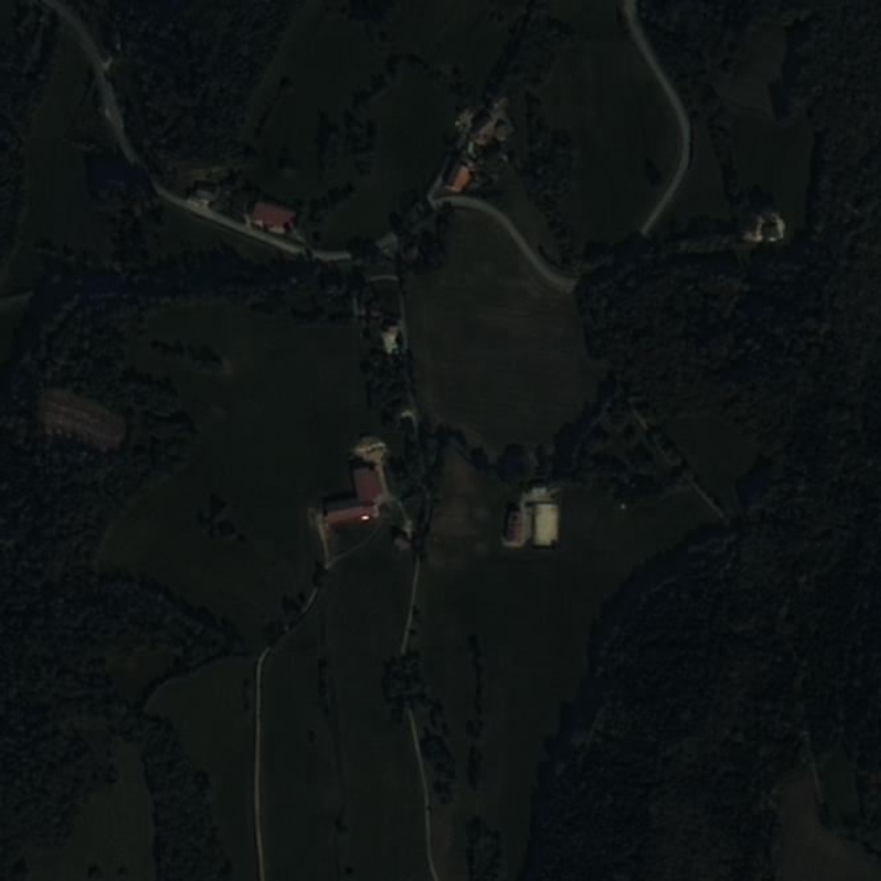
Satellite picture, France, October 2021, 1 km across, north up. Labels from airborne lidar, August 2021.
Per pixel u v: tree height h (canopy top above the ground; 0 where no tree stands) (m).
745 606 22
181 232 0
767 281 23
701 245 19
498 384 0
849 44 16
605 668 21
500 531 0
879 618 28
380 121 0
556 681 0
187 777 22
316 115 0
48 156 0
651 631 22
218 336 0
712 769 13
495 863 15
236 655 12
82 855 0
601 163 0
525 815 0
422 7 0
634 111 0
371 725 0
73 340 19
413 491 13
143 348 0
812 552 19
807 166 0
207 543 0
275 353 0
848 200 22
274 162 0
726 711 13
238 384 0
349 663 0
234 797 0
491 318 0
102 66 0
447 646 0
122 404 10
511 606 0
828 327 14
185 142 24
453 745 0
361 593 0
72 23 0
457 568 0
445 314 0
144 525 0
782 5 30
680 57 20
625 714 23
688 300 26
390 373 11
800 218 0
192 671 12
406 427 7
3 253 13
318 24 0
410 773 0
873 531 28
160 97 26
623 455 0
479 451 0
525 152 0
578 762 21
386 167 0
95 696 21
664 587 12
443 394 0
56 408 0
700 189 0
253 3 22
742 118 0
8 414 16
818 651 21
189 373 0
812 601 19
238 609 0
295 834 0
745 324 23
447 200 0
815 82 22
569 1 0
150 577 0
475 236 0
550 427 0
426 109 0
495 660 0
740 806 14
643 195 0
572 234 10
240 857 0
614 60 0
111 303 15
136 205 25
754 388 26
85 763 17
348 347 0
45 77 7
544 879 20
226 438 0
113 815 0
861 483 23
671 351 30
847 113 22
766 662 16
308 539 0
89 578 13
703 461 0
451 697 0
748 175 0
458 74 6
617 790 19
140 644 16
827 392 15
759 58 0
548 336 0
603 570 0
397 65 13
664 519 0
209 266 0
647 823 17
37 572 10
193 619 19
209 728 0
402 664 8
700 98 14
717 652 17
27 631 14
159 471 18
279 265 0
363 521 0
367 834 0
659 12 15
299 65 0
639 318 30
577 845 20
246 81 20
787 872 0
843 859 0
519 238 0
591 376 0
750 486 0
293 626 12
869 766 22
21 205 20
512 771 0
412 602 0
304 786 0
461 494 0
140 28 21
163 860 15
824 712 17
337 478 0
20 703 20
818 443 21
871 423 21
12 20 0
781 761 19
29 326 0
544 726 0
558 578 0
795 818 0
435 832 0
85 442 0
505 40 0
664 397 19
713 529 0
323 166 12
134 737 15
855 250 14
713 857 17
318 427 0
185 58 9
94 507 17
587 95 0
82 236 0
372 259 15
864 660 20
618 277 22
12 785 24
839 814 0
